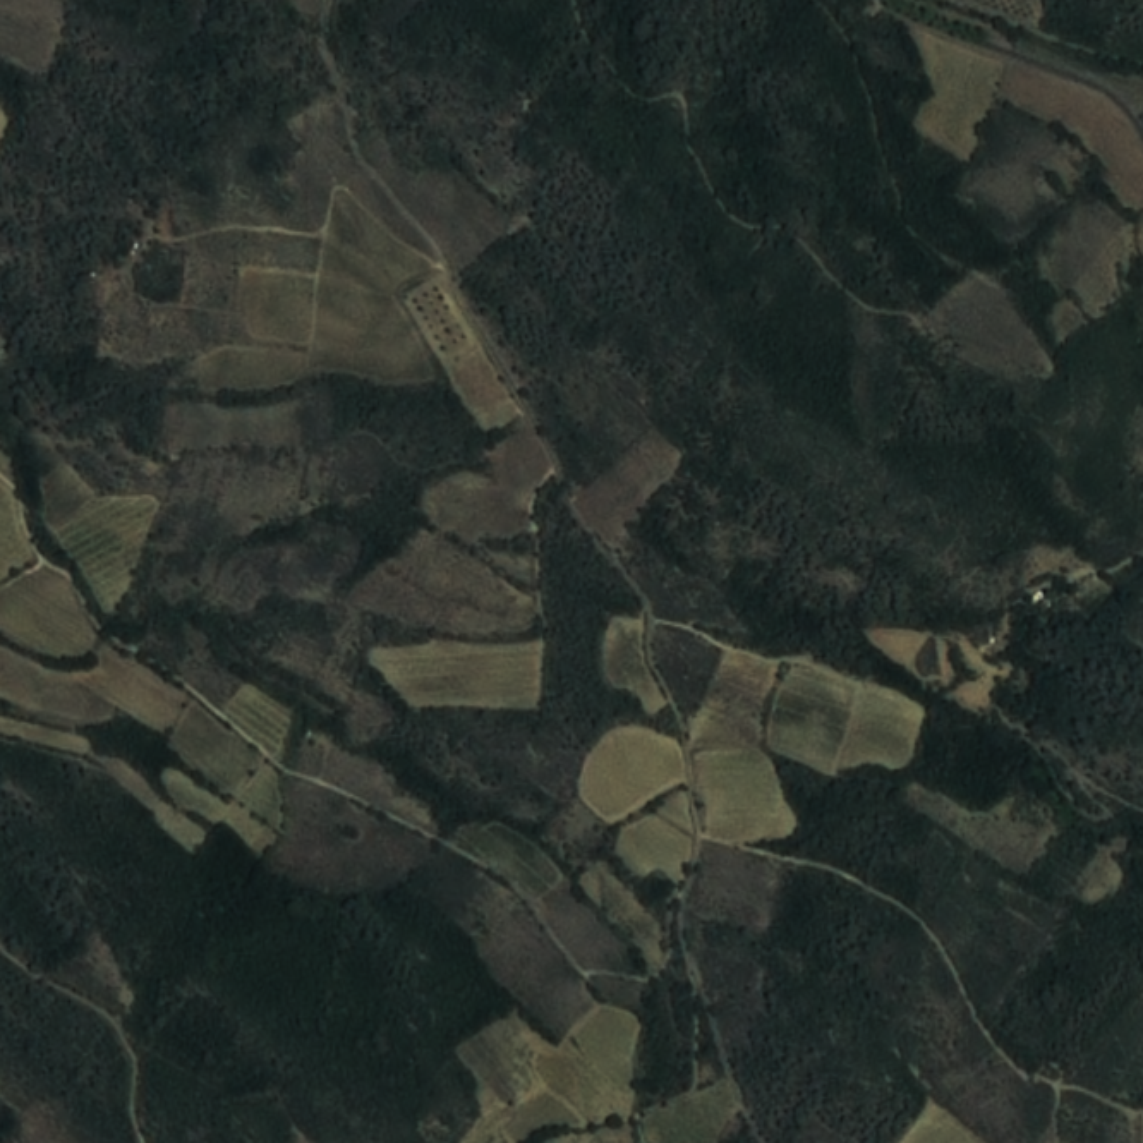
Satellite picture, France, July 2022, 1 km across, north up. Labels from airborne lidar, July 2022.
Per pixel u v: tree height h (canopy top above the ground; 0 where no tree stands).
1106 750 6
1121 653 7
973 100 0
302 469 0
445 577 0
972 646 0
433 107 8
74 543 0
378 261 0
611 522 0
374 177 0
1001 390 7
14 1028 8
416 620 0
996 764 11
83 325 7
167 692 0
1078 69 0
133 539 0
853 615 8
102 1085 9
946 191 9
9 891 8
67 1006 6
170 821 0
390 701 9
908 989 9
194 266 0
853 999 9
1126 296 6
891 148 8
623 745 0
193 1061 6
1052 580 8
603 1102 0
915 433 6
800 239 7
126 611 7
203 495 0
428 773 6
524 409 0
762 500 10
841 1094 7
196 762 0
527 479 0
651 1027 7
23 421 13
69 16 6
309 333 0
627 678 0
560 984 0
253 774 7
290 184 0
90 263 9
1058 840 9
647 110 7
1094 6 6
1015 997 6
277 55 0
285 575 0
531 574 0
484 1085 0
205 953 8
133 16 8
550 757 0
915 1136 0
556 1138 8
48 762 7
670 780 0
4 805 9
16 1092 0
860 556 13
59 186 9
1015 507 6
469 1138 0
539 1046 0
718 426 8
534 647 0
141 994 8
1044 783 16
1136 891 10
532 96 9
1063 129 11
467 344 0
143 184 12
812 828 10
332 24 8
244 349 0
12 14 0
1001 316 0
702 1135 0
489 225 0
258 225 0
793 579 12
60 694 0
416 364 0
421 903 9
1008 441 13
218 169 0
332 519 7
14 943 12
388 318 0
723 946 0
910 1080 5
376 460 0
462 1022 5
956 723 10
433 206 0
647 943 0
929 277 6
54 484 0
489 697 0
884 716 0
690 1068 6
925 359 9
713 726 0
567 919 0
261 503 0
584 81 12
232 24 8
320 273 0
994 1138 0
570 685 6
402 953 8
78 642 0
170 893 6
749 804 0
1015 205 0
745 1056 6
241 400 8
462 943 9
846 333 5
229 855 9
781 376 11
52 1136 0
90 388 8
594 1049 0
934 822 9
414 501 8
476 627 0
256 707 0
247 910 12
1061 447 0
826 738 0
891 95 7
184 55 9
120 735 8
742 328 6
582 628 8
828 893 6
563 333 11
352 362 0
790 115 8
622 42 14
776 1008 10
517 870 0
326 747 0
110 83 8
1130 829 7
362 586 0
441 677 0
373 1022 8
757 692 0
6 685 0
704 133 9
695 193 6
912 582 6
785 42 8
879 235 12
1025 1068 6
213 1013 6
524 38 7
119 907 7
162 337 0
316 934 9
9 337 7
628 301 7
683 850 0
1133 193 0
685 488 6
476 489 0
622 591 8
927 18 19
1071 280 0
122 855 6
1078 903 6
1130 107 0
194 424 0
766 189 6
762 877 0
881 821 10
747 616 6
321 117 0
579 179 8
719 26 8
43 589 0
